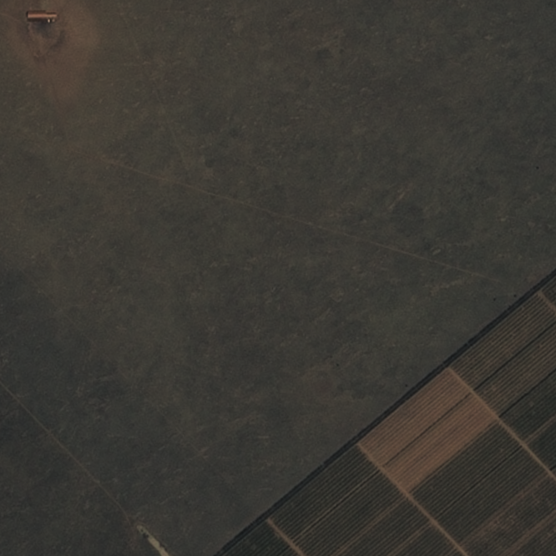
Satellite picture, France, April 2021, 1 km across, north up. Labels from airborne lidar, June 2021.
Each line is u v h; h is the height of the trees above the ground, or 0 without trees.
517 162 0
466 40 0
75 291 0
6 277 0
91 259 0
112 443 0
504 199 0
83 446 0
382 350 0
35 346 0
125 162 0
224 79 0
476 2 0
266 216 0
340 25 0
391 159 0
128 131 0
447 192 0
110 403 0
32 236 0
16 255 0
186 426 0
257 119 0
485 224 0
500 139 0
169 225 0
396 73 0
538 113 0
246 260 0
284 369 0
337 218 0
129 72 0
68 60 0
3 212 0
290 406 0
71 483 0
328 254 0
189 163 0
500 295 0
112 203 0
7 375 0
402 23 0
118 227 0
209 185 0
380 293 0
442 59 0
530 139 0
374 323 0
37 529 0
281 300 0
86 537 0
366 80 0
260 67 0
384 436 0
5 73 0
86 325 0
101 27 0
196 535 0
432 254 0
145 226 0
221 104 0
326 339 0
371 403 0
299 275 0
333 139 0
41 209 0
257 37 0
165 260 0
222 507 0
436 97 0
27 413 0
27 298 0
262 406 0
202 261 0
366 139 0
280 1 0
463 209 0
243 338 0
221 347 0
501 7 0
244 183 0
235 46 0
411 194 0
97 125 0
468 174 0
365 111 0
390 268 0
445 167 0
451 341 0
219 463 0
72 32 0
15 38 0
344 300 0
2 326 0
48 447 0
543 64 0
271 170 0
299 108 0
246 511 0
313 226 0
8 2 0
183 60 0
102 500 0
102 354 0
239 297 0
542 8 0
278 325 0
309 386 0
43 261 0
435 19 0
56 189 0
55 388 0
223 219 0
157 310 0
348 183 0
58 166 0
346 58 0
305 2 0
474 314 0
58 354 0
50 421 0
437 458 0
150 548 0
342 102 0
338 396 0
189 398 0
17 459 0
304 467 0
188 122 0
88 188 0
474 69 0
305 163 0
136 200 0
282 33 0
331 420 0
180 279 0
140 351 0
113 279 0
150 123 0
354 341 0
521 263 0
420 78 0
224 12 0
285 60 0
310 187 0
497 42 0
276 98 0
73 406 0
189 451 0
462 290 0
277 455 0
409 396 7
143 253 0
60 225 0
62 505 0
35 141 0
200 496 0
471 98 0
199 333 0
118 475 0
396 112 0
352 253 0
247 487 0
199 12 0
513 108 0
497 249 0
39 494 0
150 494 0
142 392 0
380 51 0
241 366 0
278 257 0
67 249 0
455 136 0
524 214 0
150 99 0
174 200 0
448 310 0
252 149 0
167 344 0
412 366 0
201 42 0
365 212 0
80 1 0
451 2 0
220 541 0
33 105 0
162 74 0
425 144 0
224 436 0
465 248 0
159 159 0
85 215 0
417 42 0
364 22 0
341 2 0
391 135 0
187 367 0
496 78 0
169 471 0
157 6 0
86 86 0
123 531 0
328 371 0
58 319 0
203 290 0
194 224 0
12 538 0
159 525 0
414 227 0
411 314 0
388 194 0
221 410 0
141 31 0
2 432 0
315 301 0
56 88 0
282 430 0
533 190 0
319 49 0
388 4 0
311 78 0
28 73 0
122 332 0
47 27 0
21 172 0
